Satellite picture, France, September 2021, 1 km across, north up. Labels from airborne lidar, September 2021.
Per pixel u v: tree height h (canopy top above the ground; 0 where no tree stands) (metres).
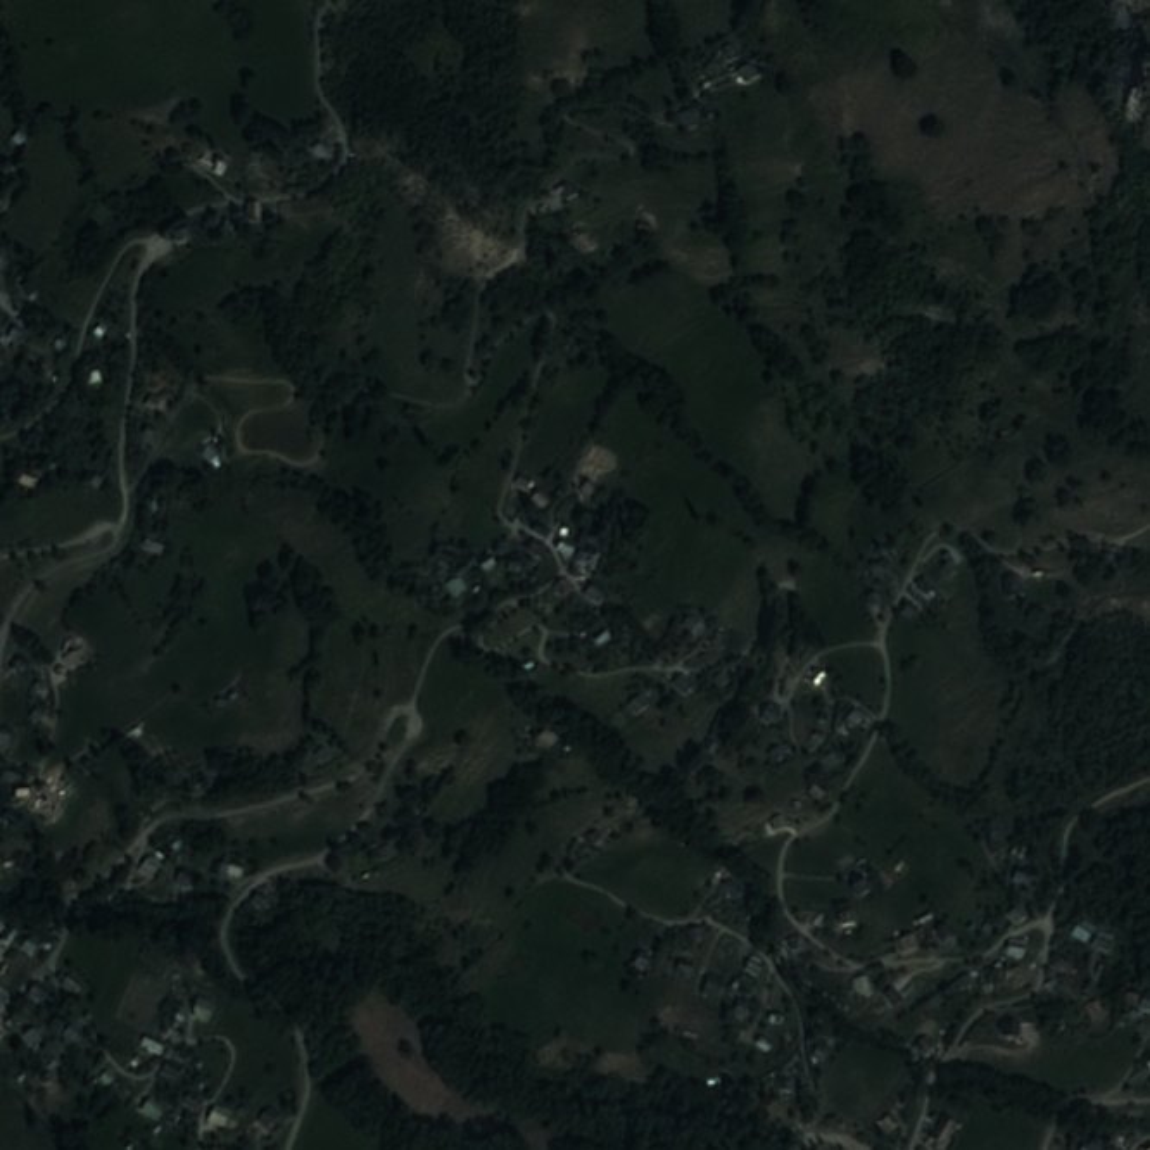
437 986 23
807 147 0
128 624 0
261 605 19
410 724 0
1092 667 17
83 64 0
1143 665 12
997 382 0
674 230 0
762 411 0
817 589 0
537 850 0
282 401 0
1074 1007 7
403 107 20
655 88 0
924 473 0
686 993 0
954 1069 12
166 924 12
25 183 13
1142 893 18
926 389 23
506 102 14
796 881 0
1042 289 14
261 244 9
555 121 13
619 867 0
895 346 8
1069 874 13
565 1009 0
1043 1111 25
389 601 0
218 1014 0
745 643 0
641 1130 24
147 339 6
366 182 13
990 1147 0
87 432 10
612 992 0
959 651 0
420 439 0
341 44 15
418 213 9
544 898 0
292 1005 15
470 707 0
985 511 0
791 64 0
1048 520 0
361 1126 19
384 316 0
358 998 20
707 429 0
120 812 7
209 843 22
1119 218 6
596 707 0
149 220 7
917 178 0
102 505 0
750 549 11
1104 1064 0
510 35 14
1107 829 15
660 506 0
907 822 0
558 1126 23
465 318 14
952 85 0
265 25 0
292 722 0
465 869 13
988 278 0
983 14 0
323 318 20
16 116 15
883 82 0
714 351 0
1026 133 0
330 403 13
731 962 0
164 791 19
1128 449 13
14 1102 0
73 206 0
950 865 0
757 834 0
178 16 0
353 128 15
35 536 0
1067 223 0
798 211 13
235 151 0
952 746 0
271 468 0
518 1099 24
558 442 0
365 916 17
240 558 0
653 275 14
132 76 0
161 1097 9
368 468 0
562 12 0
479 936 0
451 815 0
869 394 15
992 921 6
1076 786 13
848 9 0
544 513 6
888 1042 18
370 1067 6
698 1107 23
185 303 0
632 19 0
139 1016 0
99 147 0
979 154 0
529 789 15
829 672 7
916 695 0
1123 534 0
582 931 0
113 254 9
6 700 0
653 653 9
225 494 0
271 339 15
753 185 0
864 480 20
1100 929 10
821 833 0
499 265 0
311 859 0
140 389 12
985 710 0
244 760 9
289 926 23
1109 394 13
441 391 0
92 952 0
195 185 8
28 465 12
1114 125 13
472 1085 21
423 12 17
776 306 0
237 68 0
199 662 0
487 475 0
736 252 24
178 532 0
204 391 17
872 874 7
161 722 0
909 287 11
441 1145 23
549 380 6
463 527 0
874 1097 0
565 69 0
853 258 17
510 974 0
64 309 0
